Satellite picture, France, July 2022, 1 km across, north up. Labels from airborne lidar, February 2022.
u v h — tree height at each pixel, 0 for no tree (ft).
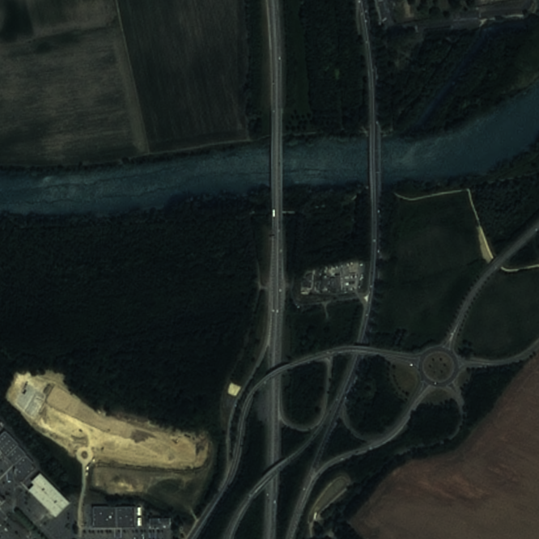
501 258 0
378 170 0
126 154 0
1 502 0
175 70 0
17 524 0
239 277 42
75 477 0
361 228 55
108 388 64
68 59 0
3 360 43
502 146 0
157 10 0
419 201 0
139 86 0
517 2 0
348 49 36
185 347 61
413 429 43
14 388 0
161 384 70
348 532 53
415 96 33
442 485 0
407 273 0
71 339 32
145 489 0
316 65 48
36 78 0
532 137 0
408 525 0
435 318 0
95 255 47
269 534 0
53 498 0
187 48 0
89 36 0
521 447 0
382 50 53
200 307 38
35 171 48
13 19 0
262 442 42
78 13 0
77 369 61
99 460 0
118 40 0
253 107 37
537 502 0
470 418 48
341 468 34
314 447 38
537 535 0
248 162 0
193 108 0
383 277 0
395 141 0
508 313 0
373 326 60
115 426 0
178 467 0
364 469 40
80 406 0
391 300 0
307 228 55
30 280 51
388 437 0
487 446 0
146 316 30
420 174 0
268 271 0
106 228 53
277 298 0
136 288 34
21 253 56
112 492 0
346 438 41
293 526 0
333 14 39
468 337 0
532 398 0
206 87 0
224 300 37
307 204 51
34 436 51
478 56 60
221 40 0
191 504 0
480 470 0
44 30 0
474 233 0
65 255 51
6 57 0
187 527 0
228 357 55
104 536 0
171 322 47
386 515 0
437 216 0
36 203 0
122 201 0
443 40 25
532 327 0
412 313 0
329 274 0
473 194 29
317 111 69
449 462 0
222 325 76
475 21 0
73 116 0
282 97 0
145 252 43
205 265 54
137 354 64
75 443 0
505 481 0
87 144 0
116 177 0
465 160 0
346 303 24
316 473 0
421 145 0
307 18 41
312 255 36
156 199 0
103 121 0
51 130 0
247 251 63
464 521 0
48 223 47
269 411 0
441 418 49
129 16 0
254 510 28
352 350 0
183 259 56
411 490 0
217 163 0
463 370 0
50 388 0
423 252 0
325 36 53
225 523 21
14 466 0
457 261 0
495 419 0
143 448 0
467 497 0
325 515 26
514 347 0
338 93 57
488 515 0
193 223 51
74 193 0
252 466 41
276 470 0
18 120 0
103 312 31
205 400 64
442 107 62
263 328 0
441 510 0
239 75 0
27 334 53
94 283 37
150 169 0
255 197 56
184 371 67
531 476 0
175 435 0
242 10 0
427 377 0
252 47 32
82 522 0
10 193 0
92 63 0
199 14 0
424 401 0
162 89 0
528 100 0
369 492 68
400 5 0
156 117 0
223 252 49
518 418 0
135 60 0
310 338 50
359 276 0
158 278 38
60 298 46
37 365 64
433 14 36
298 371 38
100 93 0
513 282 0
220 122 0
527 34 29
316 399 38
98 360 33
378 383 30
